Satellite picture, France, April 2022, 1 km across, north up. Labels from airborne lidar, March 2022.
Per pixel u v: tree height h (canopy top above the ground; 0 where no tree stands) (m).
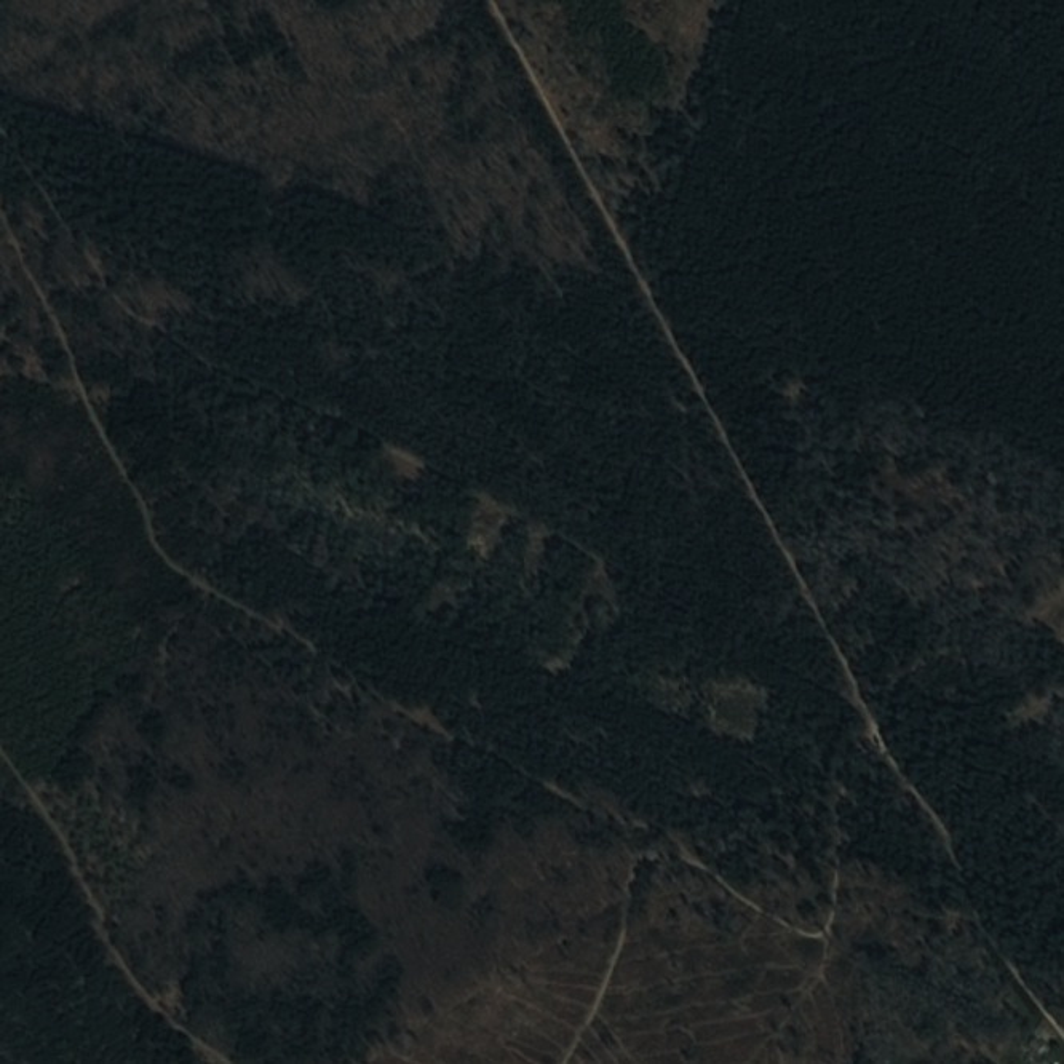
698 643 27
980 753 27
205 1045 11
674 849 13
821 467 29
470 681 18
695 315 24
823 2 23
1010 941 25
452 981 13
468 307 18
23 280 14
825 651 29
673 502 26
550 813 16
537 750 25
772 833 37
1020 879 33
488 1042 0
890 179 23
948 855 22
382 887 11
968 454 29
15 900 12
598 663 26
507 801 22
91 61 15
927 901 14
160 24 14
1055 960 25
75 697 11
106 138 35
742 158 17
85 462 6
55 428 6
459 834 20
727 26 19
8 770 7
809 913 11
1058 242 23
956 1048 29
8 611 14
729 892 29
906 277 24
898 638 21
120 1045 9
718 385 26
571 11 10
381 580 17
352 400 23
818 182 23
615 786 21
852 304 19
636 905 11
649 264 21
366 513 12
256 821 12
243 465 12
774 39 21
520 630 18
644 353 19
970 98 24
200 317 18
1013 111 23
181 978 12
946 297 23
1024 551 20
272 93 14
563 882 12
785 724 17
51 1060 12
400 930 12
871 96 18
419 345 28
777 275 22
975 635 24
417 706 13
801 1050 6
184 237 26
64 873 14
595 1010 0
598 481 23
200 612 7
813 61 20
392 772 12
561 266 15
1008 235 23
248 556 18
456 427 25
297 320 19
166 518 6
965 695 8
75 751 7
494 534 0
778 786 19
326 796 11
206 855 12
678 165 26
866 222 24
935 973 23
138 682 15
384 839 19
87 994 10
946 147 20
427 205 23
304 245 27
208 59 14
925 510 6
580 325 19
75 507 6
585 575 21
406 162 15
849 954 29
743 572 19
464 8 20
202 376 16
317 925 20
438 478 19
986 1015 25
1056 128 24
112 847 11
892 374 23
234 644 13
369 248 23
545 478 25
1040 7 27
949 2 21
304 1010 21
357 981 19
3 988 10
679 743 21
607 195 20
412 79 17
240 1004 16
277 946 15
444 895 16
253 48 15
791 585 23
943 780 27
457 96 19
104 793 14
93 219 32
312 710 15
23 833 10
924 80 22
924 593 27
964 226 21
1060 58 23
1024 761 24
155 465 16
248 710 10
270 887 12
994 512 29
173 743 14
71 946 11
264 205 35
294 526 11
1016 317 24
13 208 12
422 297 25
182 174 32
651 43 13
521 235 18
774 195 21
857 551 28
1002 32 20
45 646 13
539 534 18
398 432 24
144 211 29
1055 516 26
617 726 24
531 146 15
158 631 8
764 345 24
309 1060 11
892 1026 21
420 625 23
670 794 23
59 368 21
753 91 24
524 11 25
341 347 18
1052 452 24
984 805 25
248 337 22
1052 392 24
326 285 20
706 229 21
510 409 22
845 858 16
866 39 19
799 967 32
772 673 20
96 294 14
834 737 12
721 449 18
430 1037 0
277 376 23
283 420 20
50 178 18
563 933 13
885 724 17
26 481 7
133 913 15
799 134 19
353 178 16
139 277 14
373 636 18
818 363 20
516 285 22
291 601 22
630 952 5
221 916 18
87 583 8
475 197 22
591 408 22
